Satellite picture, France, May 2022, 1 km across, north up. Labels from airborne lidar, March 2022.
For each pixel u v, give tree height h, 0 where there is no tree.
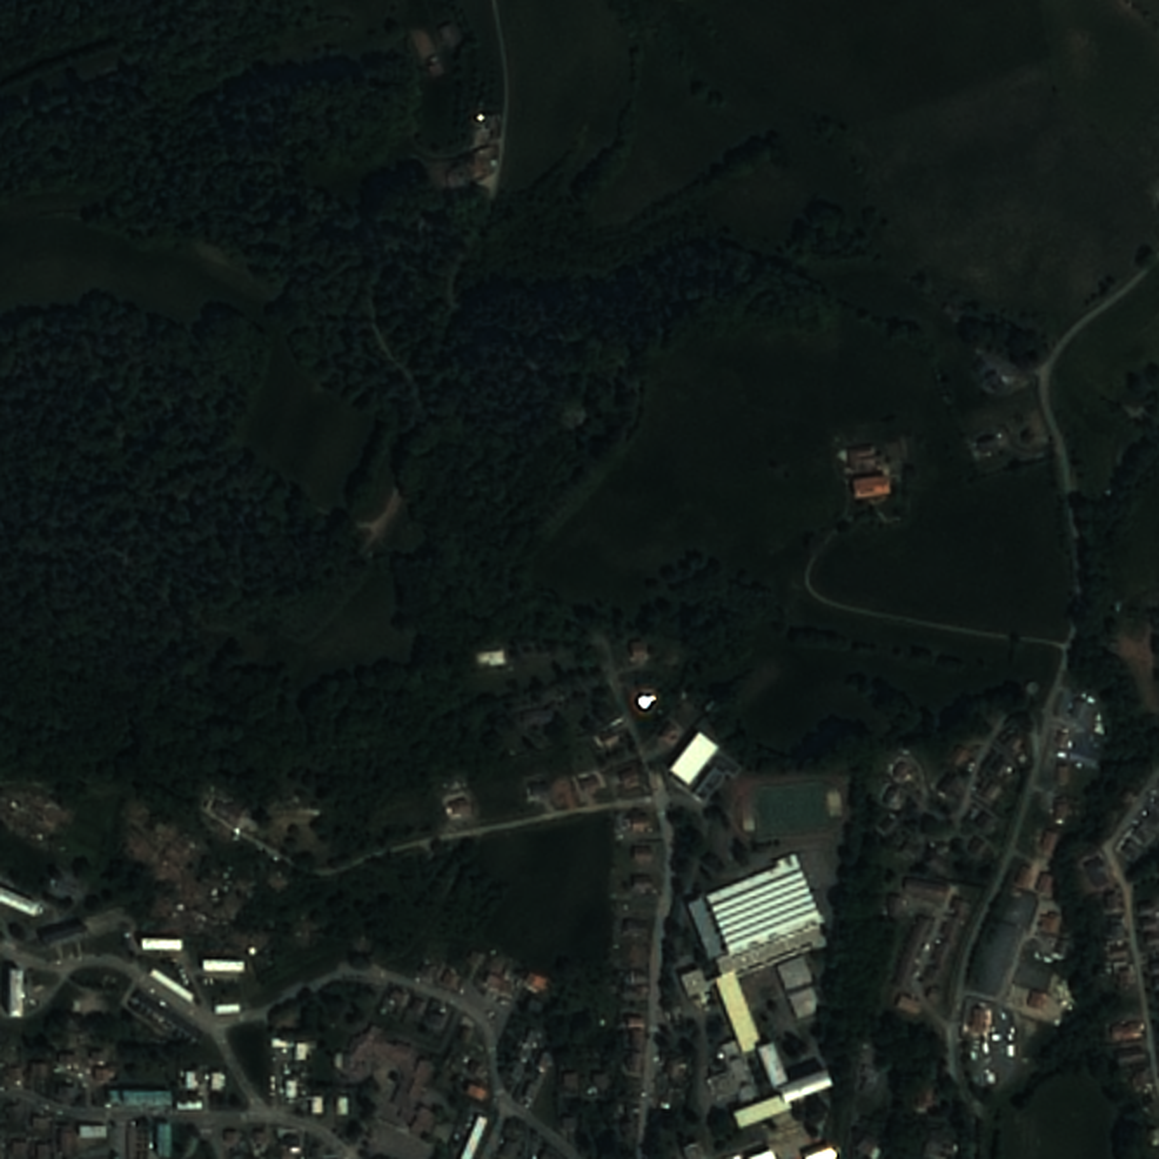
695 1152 0
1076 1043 22
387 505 0
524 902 0
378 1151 0
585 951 0
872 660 0
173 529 33
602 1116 6
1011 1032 0
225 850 0
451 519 16
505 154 0
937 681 0
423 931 0
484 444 18
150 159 21
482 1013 0
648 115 0
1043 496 0
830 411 0
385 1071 0
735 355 0
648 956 0
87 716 23
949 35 0
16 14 29
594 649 6
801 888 0
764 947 0
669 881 0
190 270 0
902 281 0
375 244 35
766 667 0
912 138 0
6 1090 0
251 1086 0
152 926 0
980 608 0
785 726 0
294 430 0
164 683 22
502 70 0
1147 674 0
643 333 28
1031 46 0
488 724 7
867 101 0
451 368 19
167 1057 15
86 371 23
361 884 8
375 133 22
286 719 15
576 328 30
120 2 26
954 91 0
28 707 21
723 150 0
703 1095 0
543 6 0
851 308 6
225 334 24
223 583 40
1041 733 0
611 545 0
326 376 22
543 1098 0
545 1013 7
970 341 21
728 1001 0
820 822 0
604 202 0
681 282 22
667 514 0
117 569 30
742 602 20
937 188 0
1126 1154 26
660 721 8
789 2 0
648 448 0
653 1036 0
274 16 15
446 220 27
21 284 0
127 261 0
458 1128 0
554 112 0
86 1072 0
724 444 0
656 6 0
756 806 0
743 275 24
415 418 26
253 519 31
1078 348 0
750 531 0
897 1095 21
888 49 0
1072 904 16
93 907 14
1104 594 24
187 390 16
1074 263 0
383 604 0
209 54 22
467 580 20
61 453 23
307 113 31
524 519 15
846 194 0
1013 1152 0
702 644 25
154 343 28
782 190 0
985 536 0
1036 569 0
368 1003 16
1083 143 0
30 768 18
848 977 24
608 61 0
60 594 31
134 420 11
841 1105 15
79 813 0
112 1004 0
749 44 0
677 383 0
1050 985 0
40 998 0
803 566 0
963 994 0
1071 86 0
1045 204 0
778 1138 0
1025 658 0
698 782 0
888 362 0
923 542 0
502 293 39
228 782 14
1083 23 0
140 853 0
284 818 0
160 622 33
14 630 26
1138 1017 0
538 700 15
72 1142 0
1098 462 0
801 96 0
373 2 0
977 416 0
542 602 15
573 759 0
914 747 23
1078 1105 0
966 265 0
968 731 18
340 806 6
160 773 22
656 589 13
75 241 0
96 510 25
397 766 8
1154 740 15
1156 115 0
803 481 0
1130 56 0
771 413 0
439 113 0
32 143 22
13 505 26
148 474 28
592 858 0
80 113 16
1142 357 0
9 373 27
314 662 0
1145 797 0
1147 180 0
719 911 0
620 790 0
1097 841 22
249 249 22
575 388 23
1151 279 0
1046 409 0
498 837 0
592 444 9
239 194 13
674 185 0
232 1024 0
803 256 12
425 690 20
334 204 21
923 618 0
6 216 0
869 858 21
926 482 0
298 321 22
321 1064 0
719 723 15
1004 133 0
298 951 0
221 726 20
